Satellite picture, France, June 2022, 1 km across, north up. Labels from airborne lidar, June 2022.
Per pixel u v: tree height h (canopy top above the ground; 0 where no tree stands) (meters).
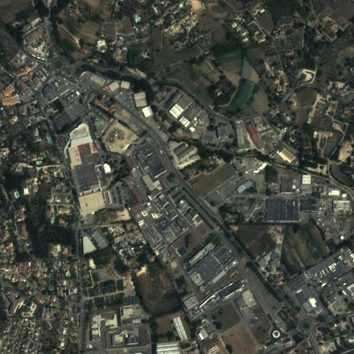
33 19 0
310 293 0
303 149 13
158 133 0
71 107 0
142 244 8
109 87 0
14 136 5
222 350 0
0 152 0
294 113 9
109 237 11
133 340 0
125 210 0
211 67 0
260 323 0
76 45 0
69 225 8
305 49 8
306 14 17
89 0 0
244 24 7
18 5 0
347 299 7
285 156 0
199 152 5
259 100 0
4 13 0
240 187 0
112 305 10
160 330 0
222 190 0
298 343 6
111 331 0
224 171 0
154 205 0
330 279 0
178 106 0
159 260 11
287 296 9
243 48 7
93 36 0
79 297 8
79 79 0
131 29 0
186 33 6
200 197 0
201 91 0
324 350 0
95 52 7
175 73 0
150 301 0
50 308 13
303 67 12
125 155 0
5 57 6
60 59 0
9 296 0
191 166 8
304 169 7
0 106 12
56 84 0
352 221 0
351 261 0
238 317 0
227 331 0
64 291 9
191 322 10
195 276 0
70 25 0
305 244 0
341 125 0
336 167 0
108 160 6
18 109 6
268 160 7
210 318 0
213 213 0
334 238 0
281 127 9
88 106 0
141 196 0
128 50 8
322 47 7
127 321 0
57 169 0
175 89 0
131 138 0
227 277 0
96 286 6
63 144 0
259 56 0
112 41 11
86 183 0
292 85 6
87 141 0
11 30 10
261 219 9
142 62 6
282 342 0
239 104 0
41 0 7
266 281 7
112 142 0
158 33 0
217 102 10
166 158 0
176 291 7
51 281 6
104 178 0
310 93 0
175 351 0
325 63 5
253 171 0
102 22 9
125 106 0
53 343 9
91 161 0
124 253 0
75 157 0
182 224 0
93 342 0
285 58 10
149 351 0
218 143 0
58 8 16
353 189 15
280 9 6
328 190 0
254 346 0
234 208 0
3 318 8
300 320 0
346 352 0
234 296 0
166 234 0
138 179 0
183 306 8
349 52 0
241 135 0
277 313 0
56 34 12
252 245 0
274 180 0
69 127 14
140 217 0
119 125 0
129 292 0
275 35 8
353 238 9
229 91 7
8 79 6
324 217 0
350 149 0
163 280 0
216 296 0
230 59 0
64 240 12
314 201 0
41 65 0
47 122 9
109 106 11
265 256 0
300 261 0
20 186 12
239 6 0
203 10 0
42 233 7
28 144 9
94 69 12
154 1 5
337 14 0
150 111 0
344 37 6
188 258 0
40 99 0
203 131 0
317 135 0
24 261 8
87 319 7
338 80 7
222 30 0
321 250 0
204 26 0
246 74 0
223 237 0
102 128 0
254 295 0
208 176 0
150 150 0
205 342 0
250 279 0
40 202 9
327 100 9
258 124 0
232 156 14
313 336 0
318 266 0
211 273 0
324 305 7
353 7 0
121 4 9
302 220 0
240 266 0
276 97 11
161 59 0
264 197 0
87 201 0
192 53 0
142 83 19
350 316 0
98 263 8
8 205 6
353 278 0
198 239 0
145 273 0
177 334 0
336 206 0
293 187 0
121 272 7
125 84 0
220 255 0
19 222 9
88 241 0
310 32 19
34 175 0
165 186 0
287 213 0
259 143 0
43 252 9
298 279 0
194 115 0
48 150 10
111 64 10
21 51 0
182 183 0
